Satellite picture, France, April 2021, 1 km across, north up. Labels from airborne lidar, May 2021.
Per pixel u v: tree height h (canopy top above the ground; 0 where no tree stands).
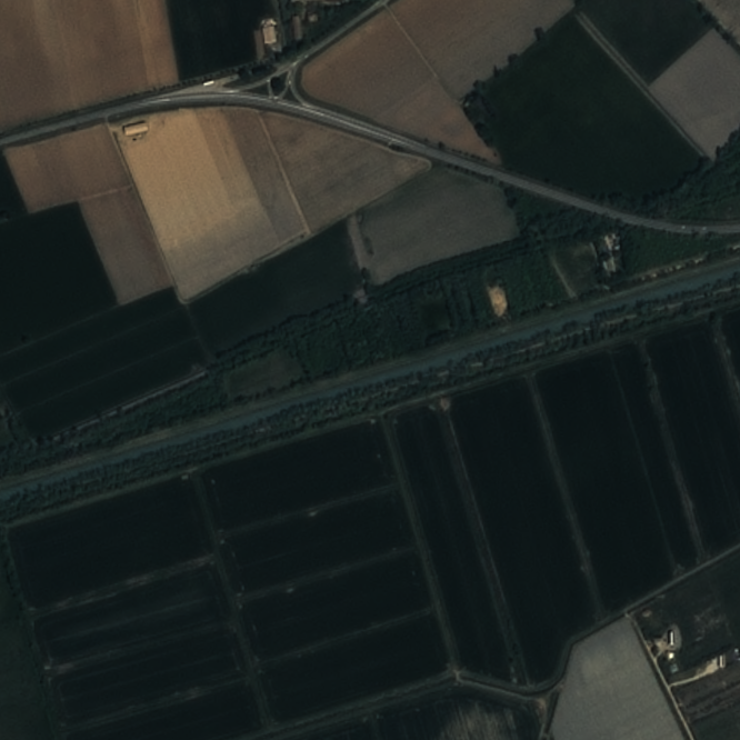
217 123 0
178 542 0
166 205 0
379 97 0
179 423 9
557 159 0
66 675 0
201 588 0
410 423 0
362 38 0
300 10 10
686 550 0
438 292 11
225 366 9
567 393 0
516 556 0
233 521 0
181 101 0
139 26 0
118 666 0
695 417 0
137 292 0
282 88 12
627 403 0
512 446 0
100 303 0
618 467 0
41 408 0
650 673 0
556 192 0
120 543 0
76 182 0
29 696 0
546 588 0
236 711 0
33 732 0
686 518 0
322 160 0
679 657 0
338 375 11
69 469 0
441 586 0
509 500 0
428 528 0
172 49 0
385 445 0
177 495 0
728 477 0
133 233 0
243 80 10
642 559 0
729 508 0
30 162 0
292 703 0
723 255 7
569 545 0
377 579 0
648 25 0
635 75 0
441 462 0
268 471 0
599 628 0
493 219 0
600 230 14
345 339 9
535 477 0
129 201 0
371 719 0
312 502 0
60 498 6
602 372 0
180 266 0
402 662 0
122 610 0
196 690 0
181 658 0
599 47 0
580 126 0
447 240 0
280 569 0
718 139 0
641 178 0
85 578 0
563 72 0
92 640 0
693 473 0
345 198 0
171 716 0
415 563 0
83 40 0
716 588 0
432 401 0
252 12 0
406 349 9
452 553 0
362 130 0
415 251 0
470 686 0
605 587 0
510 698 0
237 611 0
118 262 0
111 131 0
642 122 0
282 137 0
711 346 0
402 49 0
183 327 0
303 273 0
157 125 0
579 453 0
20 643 0
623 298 0
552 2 0
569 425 0
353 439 0
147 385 0
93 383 0
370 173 0
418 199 0
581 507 0
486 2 0
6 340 0
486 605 0
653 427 0
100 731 0
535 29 0
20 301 0
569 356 0
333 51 0
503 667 0
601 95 0
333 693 0
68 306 0
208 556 0
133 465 7
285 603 0
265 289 0
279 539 0
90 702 0
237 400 7
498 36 0
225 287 0
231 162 0
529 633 0
